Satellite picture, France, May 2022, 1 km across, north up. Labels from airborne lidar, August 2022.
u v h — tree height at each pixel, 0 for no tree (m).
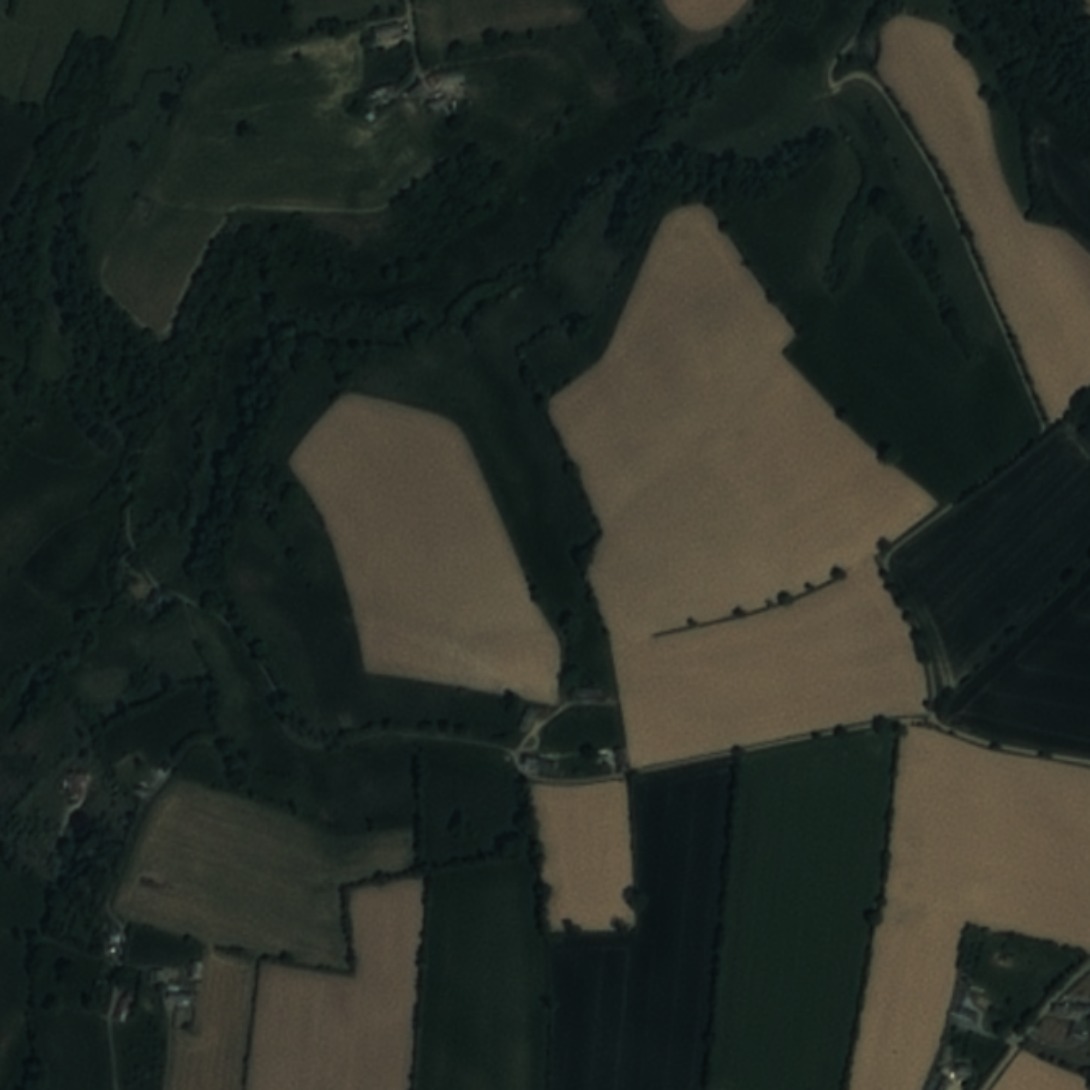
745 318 0
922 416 0
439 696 0
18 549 0
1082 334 0
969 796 0
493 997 0
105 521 0
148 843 0
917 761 0
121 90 0
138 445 19
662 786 0
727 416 0
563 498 0
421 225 9
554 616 0
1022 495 0
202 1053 0
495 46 16
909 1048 0
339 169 0
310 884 0
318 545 0
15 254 17
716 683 0
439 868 9
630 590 0
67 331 17
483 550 0
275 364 18
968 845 0
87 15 0
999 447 0
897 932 0
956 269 0
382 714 0
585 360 0
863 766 0
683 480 0
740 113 0
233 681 0
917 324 0
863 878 0
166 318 0
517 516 0
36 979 12
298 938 0
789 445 0
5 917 0
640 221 14
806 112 0
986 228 0
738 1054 0
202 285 11
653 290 0
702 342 0
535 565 0
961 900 0
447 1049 0
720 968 14
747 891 0
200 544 15
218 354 9
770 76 0
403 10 6
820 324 0
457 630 0
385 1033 0
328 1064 0
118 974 14
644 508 0
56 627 0
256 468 14
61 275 18
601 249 0
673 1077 0
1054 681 0
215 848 0
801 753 0
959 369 0
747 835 0
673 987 0
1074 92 14
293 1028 0
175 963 0
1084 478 0
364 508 0
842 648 0
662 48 9
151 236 0
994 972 0
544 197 0
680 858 0
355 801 0
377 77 0
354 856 0
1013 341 11
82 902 24
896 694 0
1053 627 0
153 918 0
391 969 0
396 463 0
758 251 0
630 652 0
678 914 0
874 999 0
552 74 0
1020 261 0
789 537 0
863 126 0
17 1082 0
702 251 0
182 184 0
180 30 0
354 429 0
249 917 0
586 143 0
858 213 9
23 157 0
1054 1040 0
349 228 0
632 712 0
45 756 0
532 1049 0
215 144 0
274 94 0
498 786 0
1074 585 13
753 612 0
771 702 0
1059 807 0
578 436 0
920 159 0
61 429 0
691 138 0
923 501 0
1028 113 11
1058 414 0
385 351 11
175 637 0
